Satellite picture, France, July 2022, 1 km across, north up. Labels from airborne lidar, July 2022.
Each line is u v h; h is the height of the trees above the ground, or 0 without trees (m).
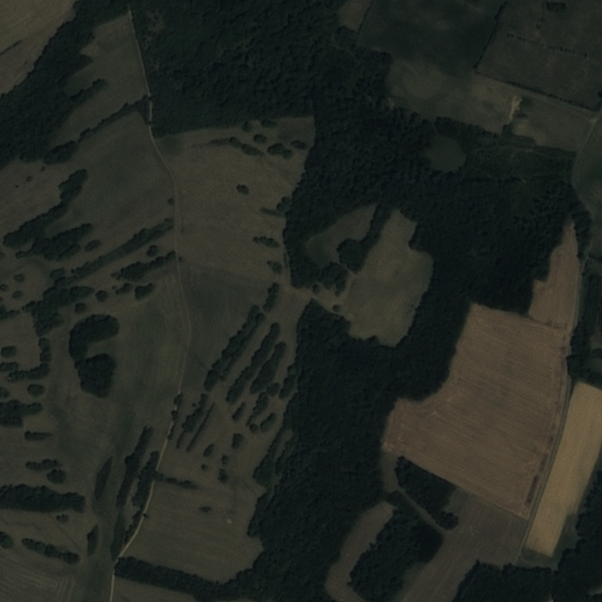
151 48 7
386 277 0
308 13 19
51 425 0
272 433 0
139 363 0
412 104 0
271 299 6
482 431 0
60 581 0
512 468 0
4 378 0
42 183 0
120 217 0
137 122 0
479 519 0
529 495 0
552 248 10
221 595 10
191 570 0
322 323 20
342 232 0
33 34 0
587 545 18
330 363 21
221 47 7
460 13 0
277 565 16
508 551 0
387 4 0
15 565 0
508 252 20
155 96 6
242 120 6
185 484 8
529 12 0
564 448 0
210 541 0
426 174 17
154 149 0
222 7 14
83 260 0
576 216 12
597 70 0
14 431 0
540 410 0
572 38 0
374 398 20
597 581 12
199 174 0
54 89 18
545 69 0
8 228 0
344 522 23
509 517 0
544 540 0
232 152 0
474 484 0
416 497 16
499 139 18
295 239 17
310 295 0
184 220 0
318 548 24
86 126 0
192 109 6
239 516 0
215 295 0
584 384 0
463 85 0
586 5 0
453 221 20
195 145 0
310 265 19
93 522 0
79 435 0
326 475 25
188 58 11
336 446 22
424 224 15
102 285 0
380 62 18
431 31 0
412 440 0
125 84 0
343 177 20
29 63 0
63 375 0
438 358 23
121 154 0
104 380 17
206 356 0
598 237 0
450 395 0
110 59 0
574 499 0
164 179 0
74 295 14
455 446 0
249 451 0
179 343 0
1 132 17
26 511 10
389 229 0
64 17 0
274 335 9
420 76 0
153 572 9
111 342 0
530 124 0
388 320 0
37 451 0
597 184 0
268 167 0
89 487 0
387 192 18
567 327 0
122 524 0
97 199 0
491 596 22
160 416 0
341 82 21
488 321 0
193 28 7
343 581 0
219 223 0
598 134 0
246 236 0
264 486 8
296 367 7
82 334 18
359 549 0
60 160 13
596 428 0
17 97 10
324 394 19
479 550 0
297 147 11
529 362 0
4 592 0
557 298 0
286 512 22
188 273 0
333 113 19
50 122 17
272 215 0
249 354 0
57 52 13
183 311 0
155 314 0
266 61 14
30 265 0
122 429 0
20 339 0
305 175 9
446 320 24
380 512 0
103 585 0
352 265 12
